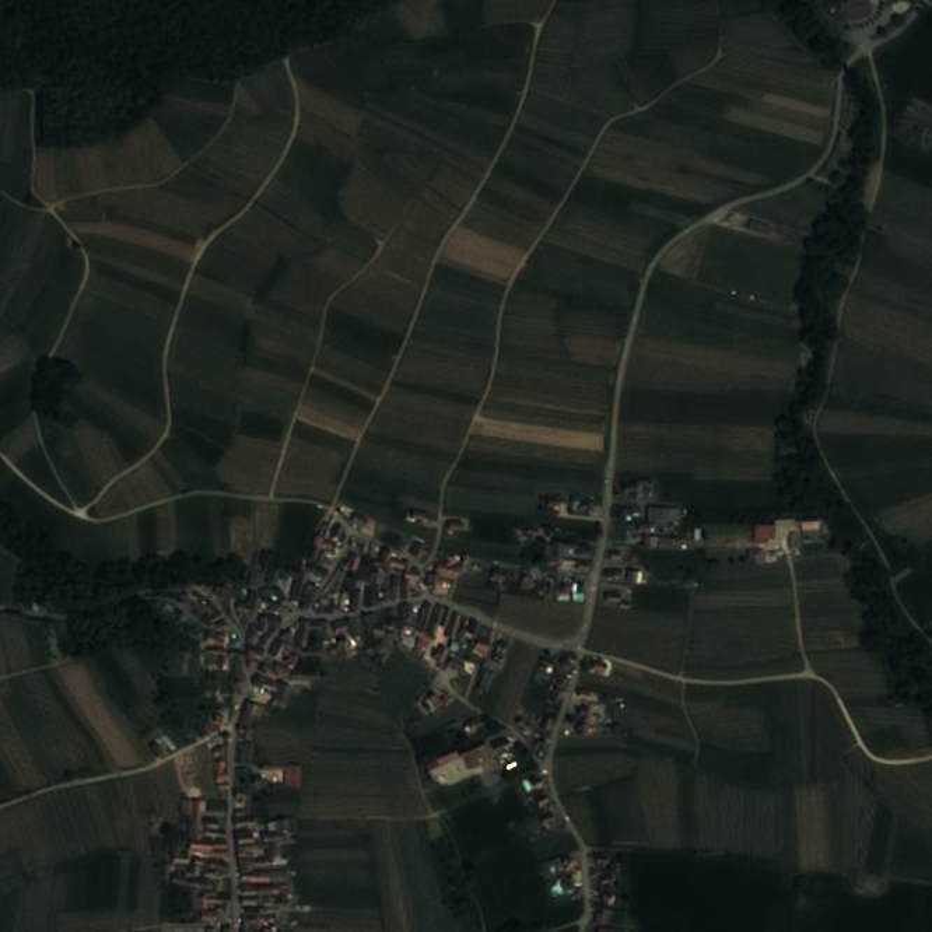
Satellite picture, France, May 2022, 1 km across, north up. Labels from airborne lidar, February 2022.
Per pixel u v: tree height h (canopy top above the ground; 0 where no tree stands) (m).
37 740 0
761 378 0
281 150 0
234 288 0
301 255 0
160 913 0
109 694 0
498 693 0
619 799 0
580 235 0
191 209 0
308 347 0
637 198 0
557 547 0
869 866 0
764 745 0
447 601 0
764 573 0
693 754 0
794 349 0
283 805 0
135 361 0
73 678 0
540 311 0
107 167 0
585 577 0
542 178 0
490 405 0
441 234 0
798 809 0
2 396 0
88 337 0
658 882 0
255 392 0
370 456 0
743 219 0
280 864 0
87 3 22
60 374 14
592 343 0
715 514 0
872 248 0
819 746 0
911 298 0
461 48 0
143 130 0
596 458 0
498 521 0
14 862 0
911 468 0
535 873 0
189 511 0
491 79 0
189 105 0
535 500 0
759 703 0
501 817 0
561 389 0
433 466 0
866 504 0
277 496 0
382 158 0
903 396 0
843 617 0
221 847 0
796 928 0
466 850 0
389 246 0
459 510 0
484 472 0
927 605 0
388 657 0
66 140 12
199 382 0
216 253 0
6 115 0
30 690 0
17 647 0
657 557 0
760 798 0
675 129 0
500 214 0
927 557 0
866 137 14
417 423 0
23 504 0
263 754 0
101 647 13
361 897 0
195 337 0
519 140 0
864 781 0
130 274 0
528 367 0
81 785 0
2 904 0
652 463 0
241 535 0
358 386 0
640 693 0
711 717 0
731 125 0
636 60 0
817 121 0
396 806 0
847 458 0
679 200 0
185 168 0
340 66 0
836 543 10
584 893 0
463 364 0
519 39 0
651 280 0
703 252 0
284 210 0
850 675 0
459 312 0
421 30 0
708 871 0
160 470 0
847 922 0
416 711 0
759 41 0
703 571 0
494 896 0
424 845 0
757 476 0
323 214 0
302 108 0
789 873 0
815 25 23
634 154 0
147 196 0
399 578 0
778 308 0
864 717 0
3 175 0
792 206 0
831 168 0
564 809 0
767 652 0
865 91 26
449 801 0
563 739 0
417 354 0
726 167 0
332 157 0
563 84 0
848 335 0
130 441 0
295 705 0
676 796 0
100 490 0
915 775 0
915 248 0
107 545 0
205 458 0
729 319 0
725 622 0
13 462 0
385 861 0
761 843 0
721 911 0
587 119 0
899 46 0
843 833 0
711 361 0
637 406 0
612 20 0
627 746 0
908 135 0
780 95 0
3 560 0
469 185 0
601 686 0
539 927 7
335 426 0
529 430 0
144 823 0
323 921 0
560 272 0
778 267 0
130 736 0
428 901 0
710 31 0
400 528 0
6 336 0
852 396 0
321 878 0
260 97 0
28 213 0
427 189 0
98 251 0
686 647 0
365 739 0
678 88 0
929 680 20
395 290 0
